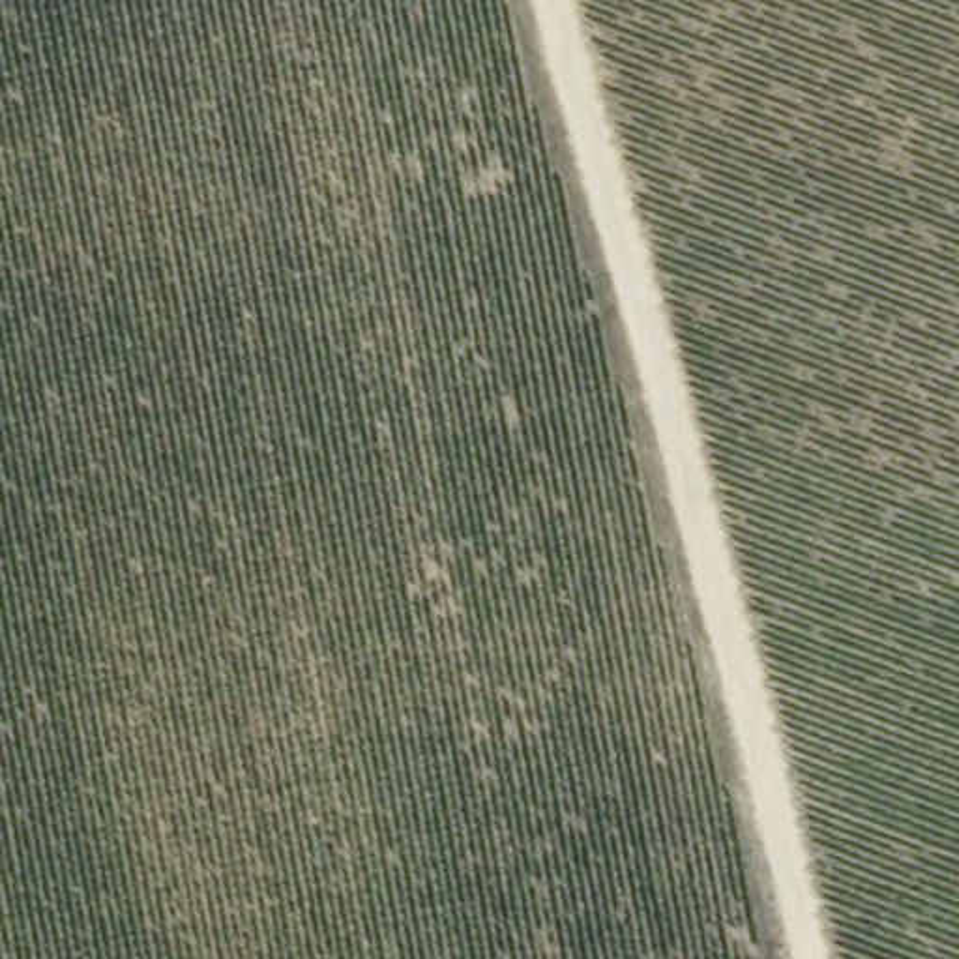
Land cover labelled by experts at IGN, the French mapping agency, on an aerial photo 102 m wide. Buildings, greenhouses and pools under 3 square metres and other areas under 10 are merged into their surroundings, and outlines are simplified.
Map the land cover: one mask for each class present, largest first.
<instances>
[{"label":"vineyard","instance_id":"1","mask_svg":"<svg viewBox=\"0 0 959 959\"><path fill-rule=\"evenodd\" d=\"M742 760L734 749L730 716L723 704L701 603L693 592L682 532L667 494L656 427L626 341L599 232L577 176L562 109L543 67L536 15L528 0H0V959H787L768 858L760 850V839L753 835V824L738 820L734 805ZM584 41L596 49V82L603 94L607 120L622 142L629 195L648 232L656 285L663 292L682 367L689 378V393L697 405V427L716 480L719 517L738 562L742 599L749 607L775 716L783 723L787 768L794 779L802 832L809 843V869L817 880V895L824 899V933L832 940L835 959H959V0H581Z\"/></svg>","mask_w":959,"mask_h":959},{"label":"pervious surface","instance_id":"2","mask_svg":"<svg viewBox=\"0 0 959 959\"><path fill-rule=\"evenodd\" d=\"M536 15L543 67L562 109L577 176L599 232L626 341L656 427L667 494L682 532L693 592L701 603L723 704L730 716L734 749L742 760L734 805L738 820L753 824V835L760 839V850L768 858L787 959H835L832 940L824 933V899L817 895V880L809 869V843L802 832L794 779L787 768L783 723L775 716L749 607L742 599L738 562L719 517L716 480L697 427V405L689 393V378L682 367L663 292L656 285L648 232L629 195L622 142L607 120L603 94L596 82V49L584 41L581 0H528Z\"/></svg>","mask_w":959,"mask_h":959}]
</instances>
